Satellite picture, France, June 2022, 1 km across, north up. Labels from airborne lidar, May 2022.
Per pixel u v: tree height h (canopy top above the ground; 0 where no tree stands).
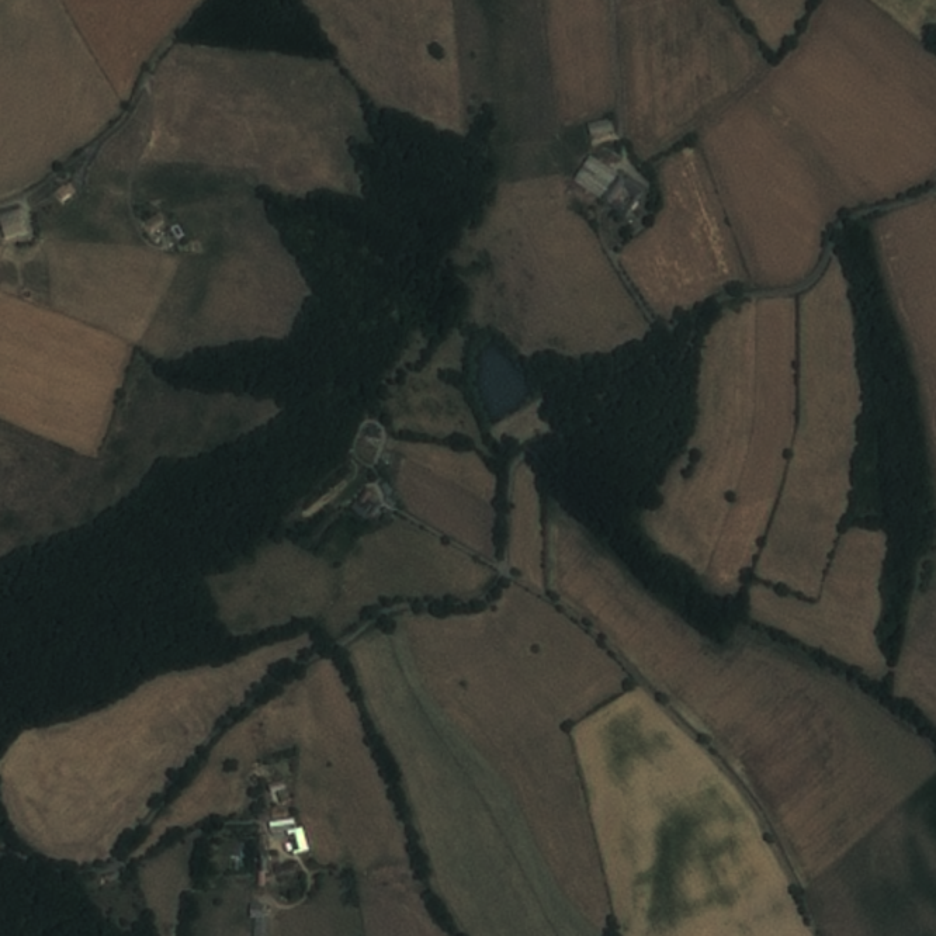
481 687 0
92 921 17
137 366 0
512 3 0
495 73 0
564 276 0
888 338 21
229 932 0
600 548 0
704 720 0
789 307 0
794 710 0
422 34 0
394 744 0
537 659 0
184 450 0
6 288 0
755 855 0
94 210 0
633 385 15
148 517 16
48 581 17
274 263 0
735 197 0
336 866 9
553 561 0
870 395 15
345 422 17
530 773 0
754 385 0
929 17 0
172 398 0
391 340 22
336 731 0
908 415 23
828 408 0
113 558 13
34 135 0
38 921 27
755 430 0
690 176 0
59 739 0
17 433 0
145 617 24
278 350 17
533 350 0
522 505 0
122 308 0
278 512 18
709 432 0
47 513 0
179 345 0
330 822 0
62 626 23
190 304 0
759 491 0
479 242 0
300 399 15
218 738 7
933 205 0
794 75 0
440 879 0
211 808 0
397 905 0
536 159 0
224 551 20
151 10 0
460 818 0
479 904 0
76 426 0
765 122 0
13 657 18
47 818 0
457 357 0
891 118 0
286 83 0
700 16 0
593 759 0
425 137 18
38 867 18
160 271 0
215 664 14
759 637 0
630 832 0
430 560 0
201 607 20
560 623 0
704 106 0
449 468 0
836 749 0
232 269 0
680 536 0
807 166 0
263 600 0
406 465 0
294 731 0
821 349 0
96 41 0
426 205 22
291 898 8
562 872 0
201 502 14
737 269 0
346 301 14
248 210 0
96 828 0
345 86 0
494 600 9
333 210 20
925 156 0
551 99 0
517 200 0
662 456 16
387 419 14
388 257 22
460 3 0
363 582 0
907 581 9
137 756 0
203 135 0
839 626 0
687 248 0
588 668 0
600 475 24
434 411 0
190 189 0
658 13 0
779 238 0
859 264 17
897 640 11
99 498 0
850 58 0
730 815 0
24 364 0
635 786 0
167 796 10
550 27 0
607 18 0
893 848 0
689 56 0
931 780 0
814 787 0
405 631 0
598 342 0
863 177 0
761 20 0
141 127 0
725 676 0
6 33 0
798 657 0
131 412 0
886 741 0
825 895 0
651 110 0
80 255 0
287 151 0
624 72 0
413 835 11
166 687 0
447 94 0
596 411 17
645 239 0
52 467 0
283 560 0
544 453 33
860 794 0
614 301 0
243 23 11
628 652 0
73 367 0
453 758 0
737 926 0
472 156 17
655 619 0
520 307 0
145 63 8
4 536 0
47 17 0
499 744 0
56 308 0
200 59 0
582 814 0
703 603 20
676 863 0
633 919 0
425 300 15
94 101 0
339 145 0
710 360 0
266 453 17
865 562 0
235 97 0
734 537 0
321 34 14
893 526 12
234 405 0
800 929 0
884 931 0
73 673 20
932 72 0
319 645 13
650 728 0
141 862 9
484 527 0
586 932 0
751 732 0
